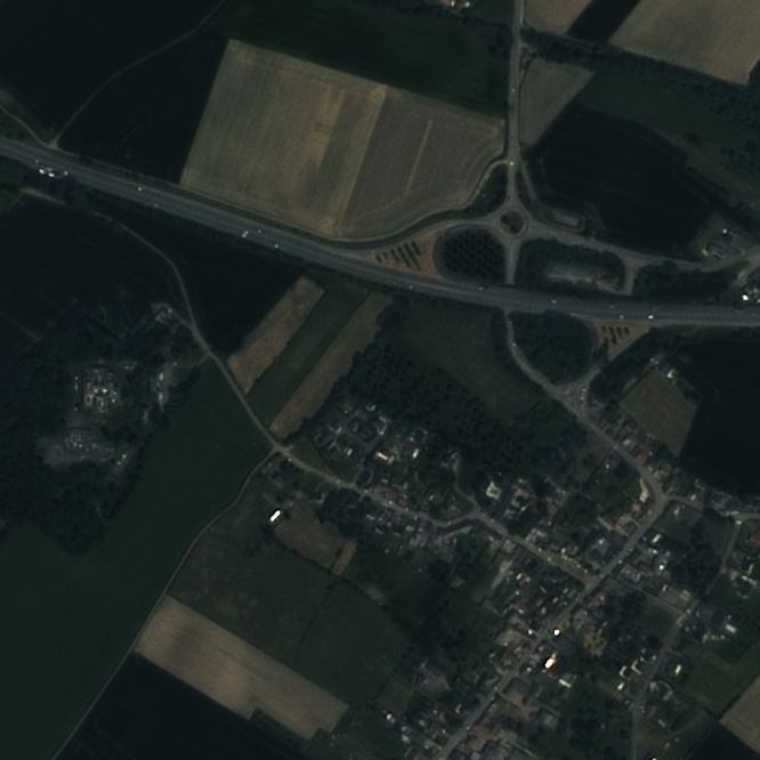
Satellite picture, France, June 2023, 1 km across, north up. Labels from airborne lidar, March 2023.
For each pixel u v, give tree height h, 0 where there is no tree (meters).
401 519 0
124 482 0
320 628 0
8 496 23
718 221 0
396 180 0
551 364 15
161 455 0
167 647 0
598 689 0
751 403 0
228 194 0
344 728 0
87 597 0
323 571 6
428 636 25
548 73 0
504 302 0
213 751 0
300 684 0
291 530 0
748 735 0
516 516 6
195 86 0
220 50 0
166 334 16
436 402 6
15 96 0
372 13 0
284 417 0
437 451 8
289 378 0
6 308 0
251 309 0
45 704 0
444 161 0
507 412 0
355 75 0
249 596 0
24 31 0
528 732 0
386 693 0
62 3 0
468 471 0
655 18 0
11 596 0
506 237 0
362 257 0
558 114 0
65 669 0
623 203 0
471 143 0
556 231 0
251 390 0
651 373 0
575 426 12
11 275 0
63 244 0
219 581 0
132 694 0
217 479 0
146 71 0
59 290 0
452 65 0
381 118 0
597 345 0
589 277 0
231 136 0
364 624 0
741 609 0
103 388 0
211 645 0
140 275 0
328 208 0
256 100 0
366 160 0
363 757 0
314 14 0
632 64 12
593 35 0
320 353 0
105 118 0
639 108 0
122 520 0
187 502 0
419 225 0
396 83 0
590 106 0
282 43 0
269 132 0
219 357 7
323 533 0
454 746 0
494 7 0
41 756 0
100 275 0
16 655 0
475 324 0
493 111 0
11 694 0
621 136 0
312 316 0
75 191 29
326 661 0
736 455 0
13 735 0
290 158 0
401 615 0
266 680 0
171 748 0
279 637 0
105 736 0
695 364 0
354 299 0
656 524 0
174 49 0
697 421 0
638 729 0
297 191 0
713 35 0
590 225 7
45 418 26
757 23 0
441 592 0
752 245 0
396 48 0
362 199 0
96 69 0
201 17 0
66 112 0
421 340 0
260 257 0
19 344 0
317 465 0
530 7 0
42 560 0
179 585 0
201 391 0
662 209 0
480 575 0
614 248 0
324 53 0
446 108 0
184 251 0
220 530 0
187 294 0
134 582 0
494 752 0
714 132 0
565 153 0
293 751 0
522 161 0
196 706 0
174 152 0
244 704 0
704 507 0
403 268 0
